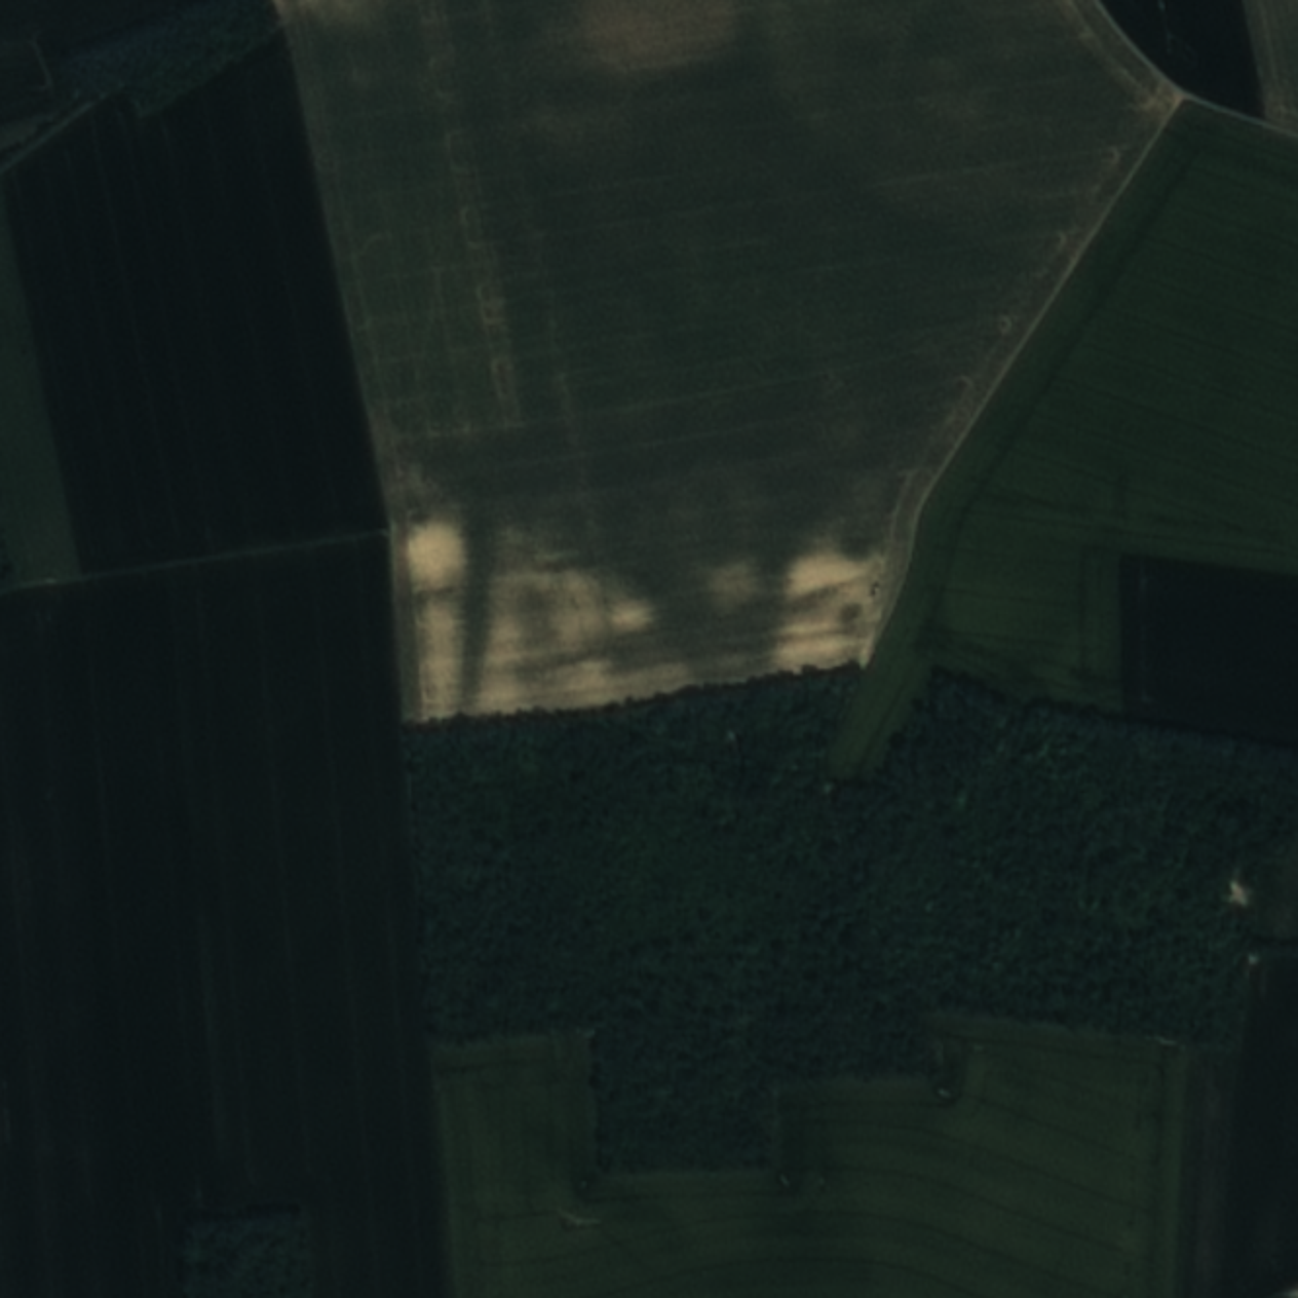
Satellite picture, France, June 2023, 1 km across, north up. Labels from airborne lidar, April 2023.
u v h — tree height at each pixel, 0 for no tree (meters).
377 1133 0
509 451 0
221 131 0
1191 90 0
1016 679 0
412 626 0
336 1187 0
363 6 0
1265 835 22
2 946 0
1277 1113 0
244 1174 0
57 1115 0
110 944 0
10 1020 0
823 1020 14
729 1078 14
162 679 0
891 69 0
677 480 0
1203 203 0
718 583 0
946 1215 0
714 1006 15
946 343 0
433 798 16
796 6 0
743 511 0
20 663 0
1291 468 0
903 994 19
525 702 0
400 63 0
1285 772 19
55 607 0
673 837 8
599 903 11
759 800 15
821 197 0
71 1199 0
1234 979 14
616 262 0
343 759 0
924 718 16
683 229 0
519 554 0
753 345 0
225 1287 15
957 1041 0
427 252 0
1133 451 0
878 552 0
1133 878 11
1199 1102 0
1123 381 0
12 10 0
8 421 0
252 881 0
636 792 8
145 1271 0
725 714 14
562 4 0
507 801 8
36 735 0
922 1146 0
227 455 0
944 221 0
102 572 0
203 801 0
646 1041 17
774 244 0
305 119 0
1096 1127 0
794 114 0
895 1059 12
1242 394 0
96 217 0
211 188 0
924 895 8
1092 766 15
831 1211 0
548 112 0
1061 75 0
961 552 0
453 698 0
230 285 0
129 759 0
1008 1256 0
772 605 0
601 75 0
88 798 0
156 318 0
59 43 0
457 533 0
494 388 0
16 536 0
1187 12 0
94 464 0
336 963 0
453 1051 0
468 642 0
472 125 0
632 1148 9
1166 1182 0
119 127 0
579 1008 14
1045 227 0
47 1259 0
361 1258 0
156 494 0
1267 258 0
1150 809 14
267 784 0
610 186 0
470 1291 0
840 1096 0
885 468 0
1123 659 0
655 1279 0
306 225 0
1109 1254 0
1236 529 0
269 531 0
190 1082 0
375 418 0
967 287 0
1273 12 0
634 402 0
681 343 0
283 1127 0
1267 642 0
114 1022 0
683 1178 0
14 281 0
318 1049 0
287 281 0
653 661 0
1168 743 16
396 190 0
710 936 6
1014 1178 0
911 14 0
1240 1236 0
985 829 7
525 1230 0
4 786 0
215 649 0
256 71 0
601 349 0
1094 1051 0
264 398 0
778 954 17
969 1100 0
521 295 0
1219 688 0
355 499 0
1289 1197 0
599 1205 0
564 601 0
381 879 0
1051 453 0
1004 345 0
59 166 0
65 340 0
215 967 0
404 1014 0
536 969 10
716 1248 0
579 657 0
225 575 0
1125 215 0
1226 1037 13
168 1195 0
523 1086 0
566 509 0
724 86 0
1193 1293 0
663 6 0
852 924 19
